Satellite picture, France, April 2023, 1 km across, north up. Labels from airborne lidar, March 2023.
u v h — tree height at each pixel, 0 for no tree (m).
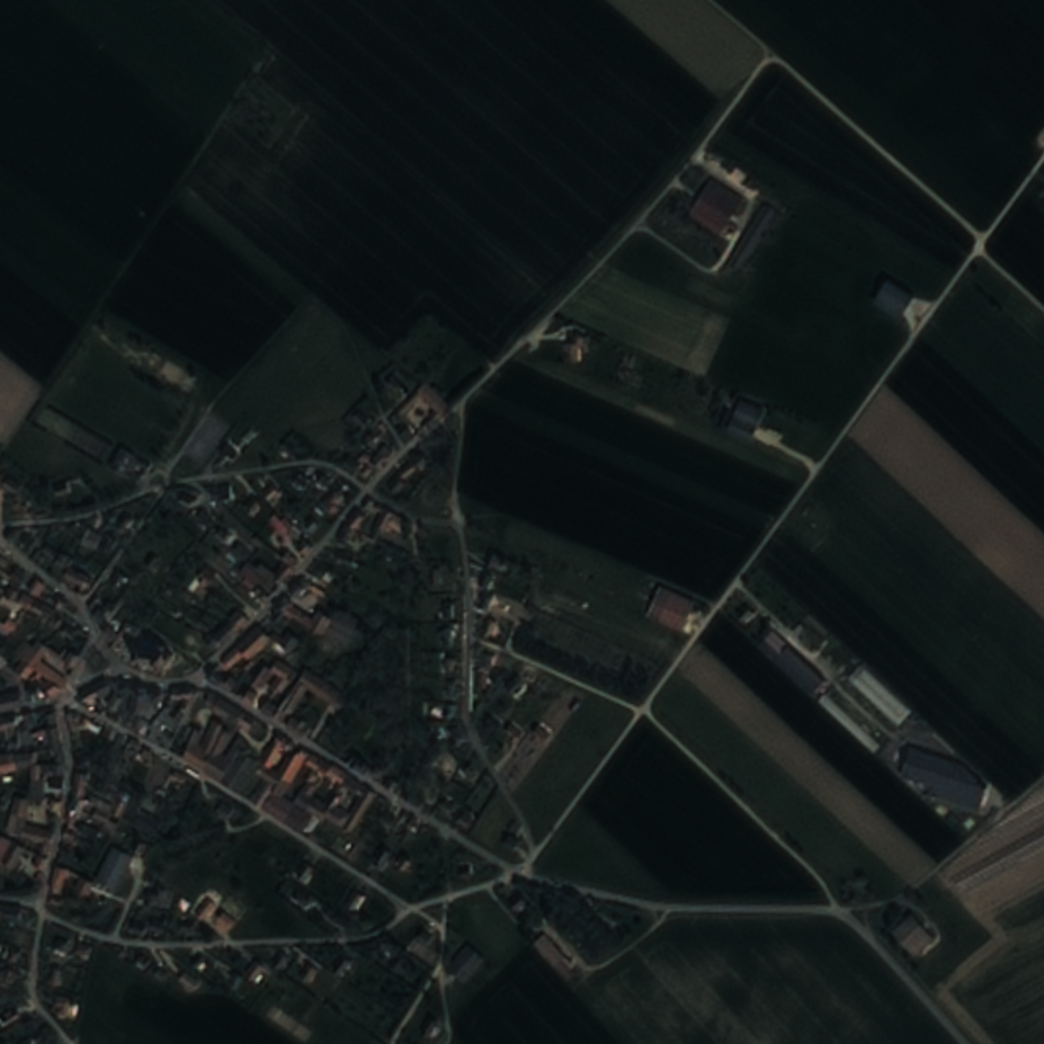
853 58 0
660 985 0
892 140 0
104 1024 0
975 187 0
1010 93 0
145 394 0
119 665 0
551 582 0
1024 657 0
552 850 0
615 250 0
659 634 0
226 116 0
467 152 0
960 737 0
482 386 0
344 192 0
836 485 0
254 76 11
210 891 0
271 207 0
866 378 0
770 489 0
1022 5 0
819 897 0
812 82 0
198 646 0
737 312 0
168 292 0
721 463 0
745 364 0
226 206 0
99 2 0
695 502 0
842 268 0
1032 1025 0
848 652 0
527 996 0
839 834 0
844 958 0
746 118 0
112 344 0
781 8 0
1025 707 0
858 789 0
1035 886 0
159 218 0
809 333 0
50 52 0
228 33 0
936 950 0
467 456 0
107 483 0
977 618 0
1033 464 0
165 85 0
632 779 0
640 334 0
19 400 0
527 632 10
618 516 0
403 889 0
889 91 0
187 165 0
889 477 0
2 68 0
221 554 7
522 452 0
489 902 0
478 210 0
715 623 0
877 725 0
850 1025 0
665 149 0
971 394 0
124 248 0
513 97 0
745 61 0
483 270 0
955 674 0
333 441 0
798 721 0
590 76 0
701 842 0
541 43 0
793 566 0
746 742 0
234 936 0
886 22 0
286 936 0
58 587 0
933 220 0
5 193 0
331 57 0
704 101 0
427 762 23
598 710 0
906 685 0
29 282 0
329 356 0
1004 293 0
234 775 0
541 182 0
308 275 0
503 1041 0
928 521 0
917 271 0
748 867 0
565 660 8
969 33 0
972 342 0
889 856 0
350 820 0
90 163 0
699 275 0
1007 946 0
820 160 0
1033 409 0
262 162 0
